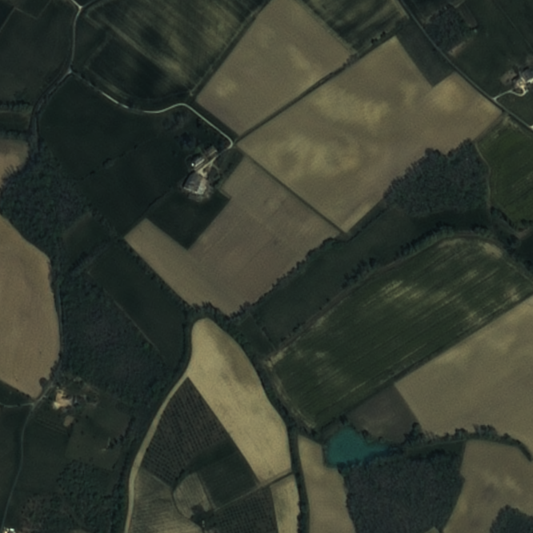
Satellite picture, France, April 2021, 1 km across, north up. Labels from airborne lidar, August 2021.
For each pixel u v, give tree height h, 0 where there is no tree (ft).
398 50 0
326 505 0
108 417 0
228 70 0
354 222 0
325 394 0
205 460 0
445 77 0
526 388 0
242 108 0
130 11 0
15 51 0
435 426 0
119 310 51
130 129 0
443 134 0
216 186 40
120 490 41
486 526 0
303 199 0
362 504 62
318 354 0
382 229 0
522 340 0
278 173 0
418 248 64
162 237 0
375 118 0
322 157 0
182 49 0
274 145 0
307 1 0
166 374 59
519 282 0
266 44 0
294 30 0
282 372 0
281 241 0
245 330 0
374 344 0
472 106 0
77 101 0
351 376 0
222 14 0
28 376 0
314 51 0
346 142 0
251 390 0
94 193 0
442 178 68
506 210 0
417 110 0
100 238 0
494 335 0
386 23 0
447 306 0
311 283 0
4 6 0
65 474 20
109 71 0
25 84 0
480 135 0
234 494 0
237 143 0
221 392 0
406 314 0
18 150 0
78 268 57
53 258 40
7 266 0
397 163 0
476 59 0
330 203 0
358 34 0
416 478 59
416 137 0
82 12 0
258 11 0
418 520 51
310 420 0
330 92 0
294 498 0
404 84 0
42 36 0
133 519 0
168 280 0
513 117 0
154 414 48
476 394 0
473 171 68
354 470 65
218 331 0
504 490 0
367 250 0
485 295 0
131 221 0
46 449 0
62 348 29
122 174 0
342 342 0
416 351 0
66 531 48
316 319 0
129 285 0
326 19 0
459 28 51
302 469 0
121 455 0
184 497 0
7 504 0
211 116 0
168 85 0
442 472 81
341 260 0
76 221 57
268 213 0
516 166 0
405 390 0
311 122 0
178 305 35
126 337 24
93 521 33
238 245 0
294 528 0
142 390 41
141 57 0
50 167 62
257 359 42
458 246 0
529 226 53
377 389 0
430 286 0
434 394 0
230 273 0
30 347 0
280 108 0
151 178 0
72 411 51
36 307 0
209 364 0
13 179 60
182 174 0
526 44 0
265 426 0
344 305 0
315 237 0
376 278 0
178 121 73
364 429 0
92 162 0
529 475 0
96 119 0
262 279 0
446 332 0
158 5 0
